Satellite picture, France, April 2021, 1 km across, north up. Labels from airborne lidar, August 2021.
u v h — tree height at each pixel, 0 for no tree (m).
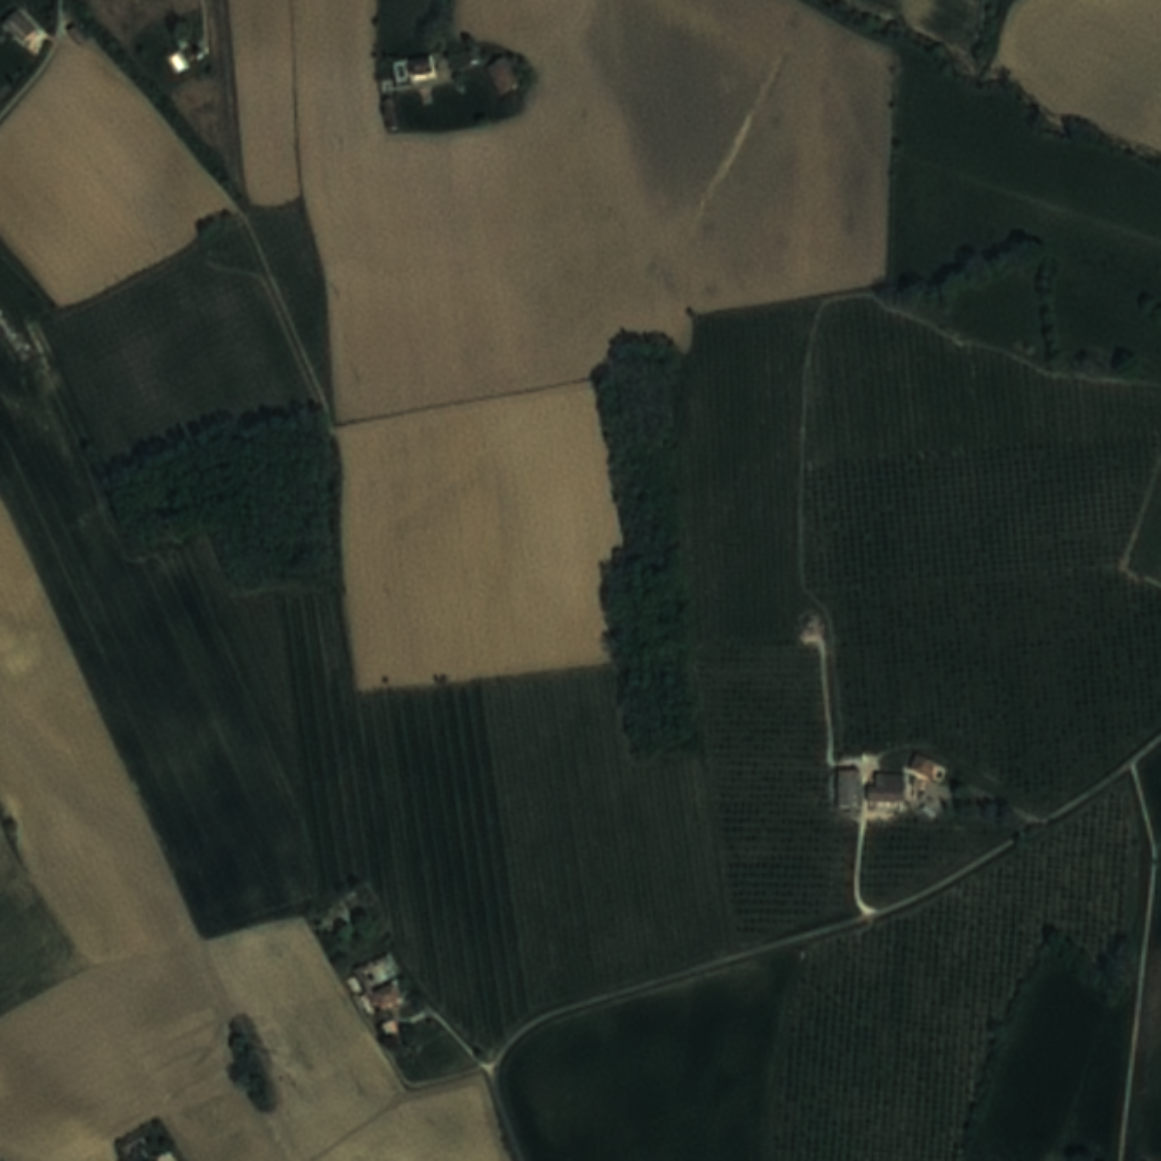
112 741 0
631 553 9
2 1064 0
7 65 0
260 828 0
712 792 0
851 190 0
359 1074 0
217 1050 0
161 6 0
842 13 9
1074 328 0
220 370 0
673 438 9
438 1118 0
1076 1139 0
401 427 0
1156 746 0
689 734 13
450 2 16
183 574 0
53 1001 0
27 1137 0
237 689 0
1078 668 6
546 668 0
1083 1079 0
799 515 0
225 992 0
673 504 14
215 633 0
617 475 10
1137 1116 0
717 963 0
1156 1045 0
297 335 0
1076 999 0
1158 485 0
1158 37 0
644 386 22
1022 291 0
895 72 11
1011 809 19
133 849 0
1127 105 0
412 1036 9
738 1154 0
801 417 0
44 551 0
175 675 0
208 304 0
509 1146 7
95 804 0
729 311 0
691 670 16
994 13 11
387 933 7
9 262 0
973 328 0
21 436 0
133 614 0
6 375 0
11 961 0
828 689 0
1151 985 0
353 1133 0
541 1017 0
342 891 12
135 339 0
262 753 0
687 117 0
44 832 0
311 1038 0
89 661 0
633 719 12
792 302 0
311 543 20
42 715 0
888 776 0
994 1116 0
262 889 0
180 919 0
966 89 0
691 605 19
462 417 0
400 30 0
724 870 0
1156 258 0
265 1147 0
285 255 0
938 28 0
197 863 0
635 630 23
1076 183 0
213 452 18
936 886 0
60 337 0
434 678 0
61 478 0
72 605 0
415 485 0
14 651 0
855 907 0
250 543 20
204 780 0
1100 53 0
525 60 11
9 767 0
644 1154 0
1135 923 0
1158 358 0
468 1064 0
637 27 0
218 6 0
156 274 0
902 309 15
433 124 0
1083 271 0
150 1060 0
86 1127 0
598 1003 0
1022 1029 0
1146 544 0
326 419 19
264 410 0
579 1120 0
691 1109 0
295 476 23
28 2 0
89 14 9
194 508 19
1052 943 15
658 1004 0
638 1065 0
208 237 12
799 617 0
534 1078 0
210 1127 0
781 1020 0
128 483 21
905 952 5
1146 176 0
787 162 0
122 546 0
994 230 0
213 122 0
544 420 0
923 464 6
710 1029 0
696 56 0
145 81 8
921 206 0
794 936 0
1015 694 6
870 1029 6
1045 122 19
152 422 0
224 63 0
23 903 0
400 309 0
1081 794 0
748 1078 0
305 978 0
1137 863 0
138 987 0
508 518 0
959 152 0
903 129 0
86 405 0
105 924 0
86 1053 0
